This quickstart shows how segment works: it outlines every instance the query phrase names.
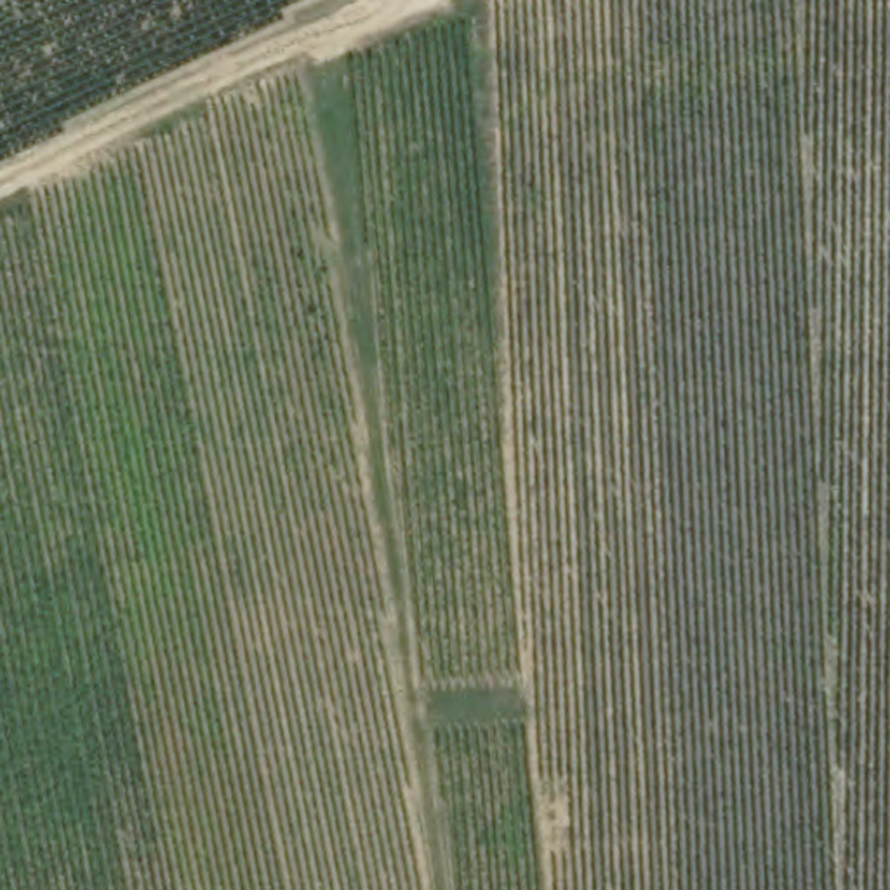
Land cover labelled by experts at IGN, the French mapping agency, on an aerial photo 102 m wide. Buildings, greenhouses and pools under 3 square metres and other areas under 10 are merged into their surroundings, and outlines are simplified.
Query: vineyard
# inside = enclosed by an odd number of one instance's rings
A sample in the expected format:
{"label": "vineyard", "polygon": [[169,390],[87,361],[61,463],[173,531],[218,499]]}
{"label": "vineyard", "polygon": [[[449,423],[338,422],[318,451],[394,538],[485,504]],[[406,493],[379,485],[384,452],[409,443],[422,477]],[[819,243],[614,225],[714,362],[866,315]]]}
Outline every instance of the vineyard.
{"label": "vineyard", "polygon": [[337,59],[316,63],[309,56],[292,56],[285,63],[240,76],[229,87],[181,111],[170,111],[167,118],[146,129],[129,132],[122,143],[111,146],[111,160],[90,167],[83,177],[21,188],[0,202],[0,890],[890,890],[890,0],[452,0],[445,10],[431,10],[410,24],[372,35],[362,49],[351,49]]}
{"label": "vineyard", "polygon": [[177,70],[198,56],[209,56],[236,42],[240,35],[268,28],[282,17],[282,7],[289,7],[292,0],[0,0],[0,160],[59,136],[73,115],[139,87],[143,80]]}

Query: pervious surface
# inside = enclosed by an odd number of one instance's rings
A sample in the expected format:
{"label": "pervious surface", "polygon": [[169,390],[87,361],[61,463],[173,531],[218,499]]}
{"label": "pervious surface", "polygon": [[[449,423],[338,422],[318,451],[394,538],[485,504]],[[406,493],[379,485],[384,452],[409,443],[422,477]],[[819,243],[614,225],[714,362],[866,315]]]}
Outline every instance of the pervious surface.
{"label": "pervious surface", "polygon": [[181,111],[229,87],[240,76],[285,63],[292,56],[309,56],[316,63],[337,59],[351,49],[362,49],[372,35],[410,24],[431,10],[445,10],[452,0],[292,0],[289,7],[282,7],[282,17],[268,28],[240,35],[236,42],[209,56],[198,56],[177,70],[143,80],[139,87],[73,115],[59,136],[0,160],[0,202],[21,188],[83,177],[90,167],[111,160],[111,146],[122,143],[129,132],[146,129],[167,118],[170,111]]}

